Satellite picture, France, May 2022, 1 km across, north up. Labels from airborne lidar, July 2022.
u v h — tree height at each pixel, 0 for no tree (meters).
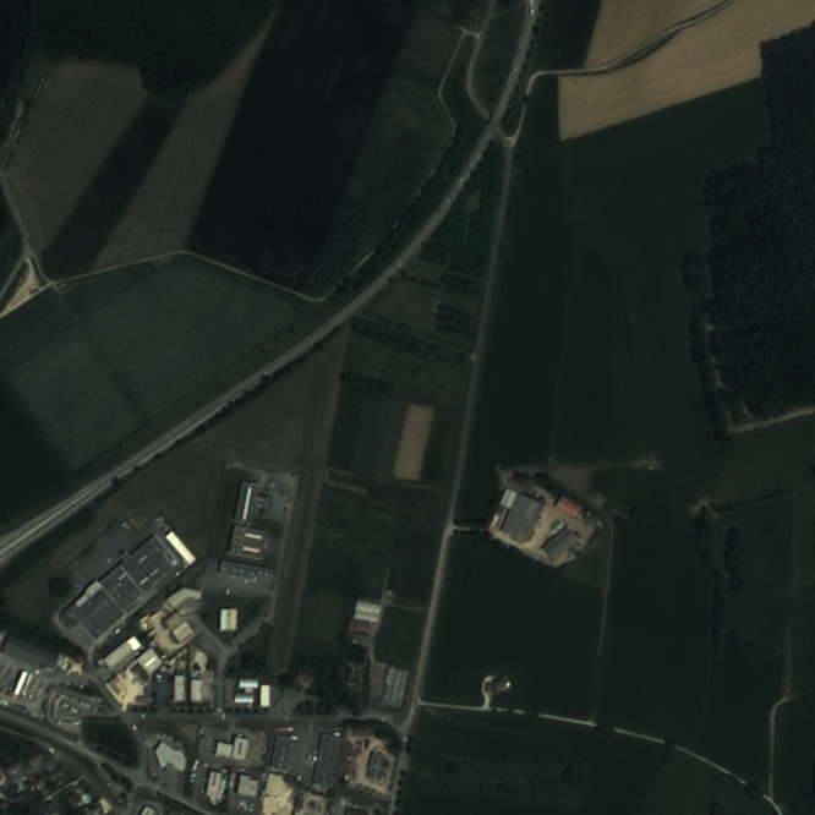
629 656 0
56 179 0
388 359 0
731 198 27
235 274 0
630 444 0
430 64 0
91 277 0
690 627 0
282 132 0
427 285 8
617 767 0
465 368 5
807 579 0
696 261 22
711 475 0
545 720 0
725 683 0
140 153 0
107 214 0
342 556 0
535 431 0
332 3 0
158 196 0
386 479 0
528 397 0
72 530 0
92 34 11
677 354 0
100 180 0
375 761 0
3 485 0
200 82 13
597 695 0
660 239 0
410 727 0
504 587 0
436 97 0
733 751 0
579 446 0
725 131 0
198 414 0
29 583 0
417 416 0
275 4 12
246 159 0
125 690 0
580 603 0
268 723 0
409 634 0
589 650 0
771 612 0
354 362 0
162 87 14
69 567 0
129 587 0
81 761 0
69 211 0
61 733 0
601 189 0
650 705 0
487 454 0
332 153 0
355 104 0
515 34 0
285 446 0
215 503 0
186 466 0
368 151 0
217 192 0
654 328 0
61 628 0
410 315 0
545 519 0
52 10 12
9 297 0
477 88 0
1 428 0
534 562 6
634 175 0
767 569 0
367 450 0
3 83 0
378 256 9
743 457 0
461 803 0
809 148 19
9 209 0
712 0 0
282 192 0
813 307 11
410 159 0
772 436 0
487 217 6
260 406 0
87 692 8
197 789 0
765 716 0
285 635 0
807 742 0
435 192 12
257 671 14
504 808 0
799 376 11
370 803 0
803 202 21
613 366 0
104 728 0
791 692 0
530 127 0
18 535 0
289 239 0
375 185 0
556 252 0
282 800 0
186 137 0
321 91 0
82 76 0
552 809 0
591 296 0
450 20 0
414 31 0
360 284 9
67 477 0
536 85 0
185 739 0
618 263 0
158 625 0
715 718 0
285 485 0
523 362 0
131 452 0
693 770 0
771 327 13
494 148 8
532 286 0
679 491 0
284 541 0
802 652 0
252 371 0
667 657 0
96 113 0
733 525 0
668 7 0
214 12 10
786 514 0
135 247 0
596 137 0
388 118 0
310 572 0
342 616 0
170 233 0
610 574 0
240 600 0
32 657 0
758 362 24
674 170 0
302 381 0
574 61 0
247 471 0
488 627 0
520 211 0
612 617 0
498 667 0
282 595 0
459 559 0
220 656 0
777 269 22
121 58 10
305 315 0
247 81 0
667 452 0
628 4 0
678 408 0
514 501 0
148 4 11
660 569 0
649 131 0
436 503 0
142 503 0
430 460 0
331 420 0
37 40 14
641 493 0
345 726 10
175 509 0
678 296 0
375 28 0
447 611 0
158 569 0
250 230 0
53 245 0
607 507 0
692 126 0
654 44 0
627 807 0
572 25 0
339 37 0
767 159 16
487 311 0
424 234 0
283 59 0
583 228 0
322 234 0
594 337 0
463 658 0
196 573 0
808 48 16
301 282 0
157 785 0
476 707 0
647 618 0
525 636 0
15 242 0
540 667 0
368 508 0
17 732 0
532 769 0
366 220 6
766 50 16
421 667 0
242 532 0
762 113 0
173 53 11
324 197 0
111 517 0
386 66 0
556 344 0
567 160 0
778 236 21
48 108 0
